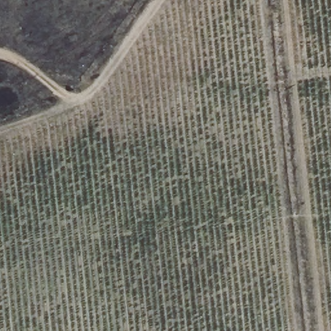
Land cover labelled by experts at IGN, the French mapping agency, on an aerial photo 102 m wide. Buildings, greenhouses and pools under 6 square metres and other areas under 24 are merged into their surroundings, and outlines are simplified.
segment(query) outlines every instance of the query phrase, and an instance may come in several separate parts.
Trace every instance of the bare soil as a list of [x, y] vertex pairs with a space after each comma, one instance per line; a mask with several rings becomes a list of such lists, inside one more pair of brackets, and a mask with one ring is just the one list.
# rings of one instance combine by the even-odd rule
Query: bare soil
[[0, 48], [12, 50], [26, 58], [66, 91], [80, 93], [91, 87], [93, 81], [100, 76], [107, 61], [122, 44], [124, 37], [131, 31], [134, 22], [151, 0], [0, 0]]
[[57, 105], [59, 98], [16, 63], [0, 59], [0, 125], [16, 122], [50, 109]]

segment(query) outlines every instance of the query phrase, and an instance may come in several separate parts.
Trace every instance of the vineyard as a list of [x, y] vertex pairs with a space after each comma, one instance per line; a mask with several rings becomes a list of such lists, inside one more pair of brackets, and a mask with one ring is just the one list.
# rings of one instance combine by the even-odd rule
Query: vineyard
[[0, 125], [0, 331], [331, 331], [331, 0], [164, 0], [159, 12], [129, 49], [118, 69], [103, 85], [101, 91], [94, 94], [92, 100], [72, 106], [70, 102], [59, 98], [57, 105], [50, 109], [16, 122]]

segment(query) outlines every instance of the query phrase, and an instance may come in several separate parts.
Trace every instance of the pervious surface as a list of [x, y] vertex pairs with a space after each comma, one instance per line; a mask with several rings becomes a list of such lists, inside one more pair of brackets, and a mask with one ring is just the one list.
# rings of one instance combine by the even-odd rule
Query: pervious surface
[[94, 94], [101, 91], [103, 85], [118, 69], [129, 49], [159, 12], [164, 0], [151, 0], [134, 22], [131, 31], [124, 37], [122, 44], [107, 61], [100, 76], [93, 81], [91, 87], [80, 93], [66, 91], [26, 58], [12, 50], [0, 48], [0, 59], [16, 63], [59, 98], [70, 102], [72, 106], [92, 100]]

